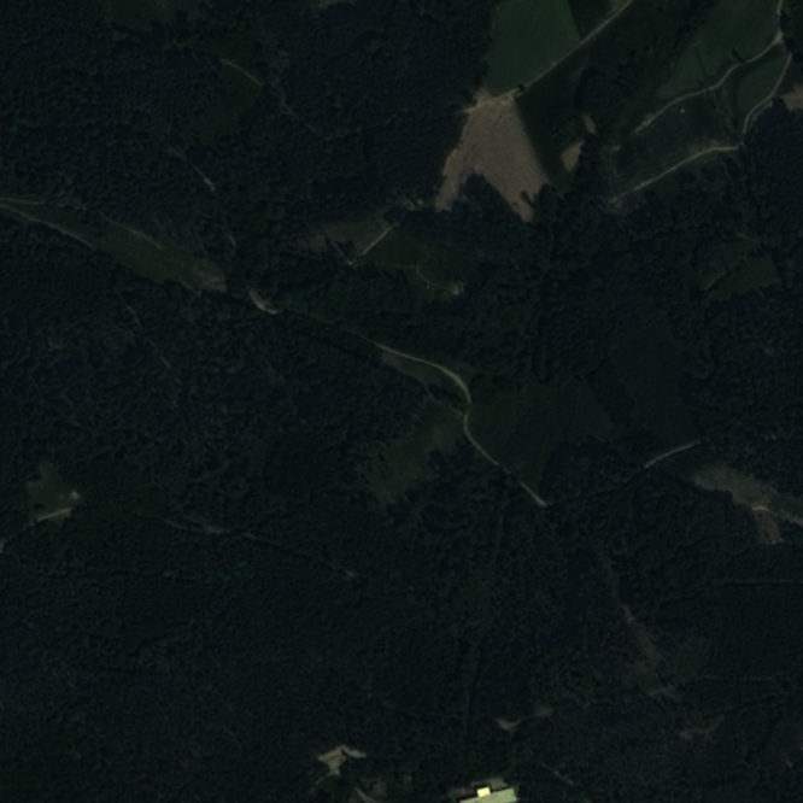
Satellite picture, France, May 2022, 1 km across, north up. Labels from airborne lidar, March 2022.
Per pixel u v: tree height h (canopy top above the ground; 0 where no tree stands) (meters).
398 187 27
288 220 29
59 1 23
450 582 15
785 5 0
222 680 24
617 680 28
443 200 0
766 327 30
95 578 9
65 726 13
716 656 8
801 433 26
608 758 24
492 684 27
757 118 0
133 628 14
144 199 32
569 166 0
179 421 32
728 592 9
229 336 32
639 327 22
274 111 26
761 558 10
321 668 17
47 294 14
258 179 29
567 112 0
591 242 31
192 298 35
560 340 32
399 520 34
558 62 0
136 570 7
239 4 30
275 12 28
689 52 0
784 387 29
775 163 27
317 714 18
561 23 0
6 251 12
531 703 21
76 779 15
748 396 26
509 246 27
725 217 29
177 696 31
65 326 7
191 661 19
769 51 0
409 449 0
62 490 0
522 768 20
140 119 27
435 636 17
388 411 32
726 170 0
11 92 27
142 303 29
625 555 18
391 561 16
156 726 38
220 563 11
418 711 11
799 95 0
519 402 0
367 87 33
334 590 18
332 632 15
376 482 0
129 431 20
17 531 9
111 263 16
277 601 24
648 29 0
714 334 21
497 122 0
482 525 29
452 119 28
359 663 16
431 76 27
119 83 31
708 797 22
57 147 32
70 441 13
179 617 14
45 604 9
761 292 0
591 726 25
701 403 31
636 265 20
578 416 0
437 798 7
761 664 7
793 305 30
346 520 13
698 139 0
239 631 21
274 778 21
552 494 28
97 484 13
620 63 0
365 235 0
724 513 25
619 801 18
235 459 23
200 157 32
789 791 37
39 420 25
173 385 29
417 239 28
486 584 0
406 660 11
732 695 8
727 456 24
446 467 34
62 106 29
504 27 0
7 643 9
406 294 30
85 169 34
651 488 22
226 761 24
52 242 16
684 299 24
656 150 0
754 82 0
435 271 0
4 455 23
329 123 36
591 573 26
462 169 0
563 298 27
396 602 17
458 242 30
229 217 17
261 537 14
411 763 19
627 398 15
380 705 32
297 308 18
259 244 34
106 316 8
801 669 6
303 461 11
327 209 31
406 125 28
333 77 31
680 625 8
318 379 20
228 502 17
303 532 10
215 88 10
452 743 30
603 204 30
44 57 30
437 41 31
